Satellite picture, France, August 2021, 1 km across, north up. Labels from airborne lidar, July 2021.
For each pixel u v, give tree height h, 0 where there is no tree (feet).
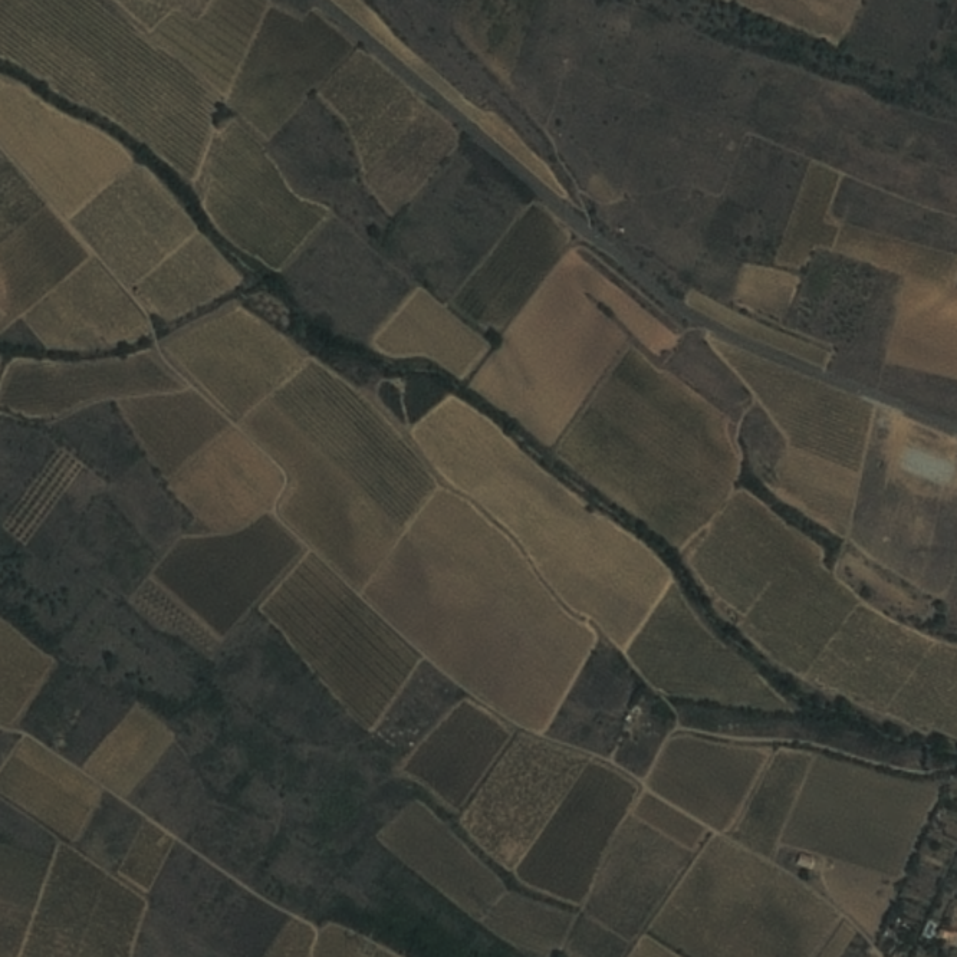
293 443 0
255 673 0
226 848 0
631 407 0
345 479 0
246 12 0
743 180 0
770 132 0
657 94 0
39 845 0
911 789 0
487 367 0
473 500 0
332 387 0
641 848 0
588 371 0
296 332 34
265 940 0
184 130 0
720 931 0
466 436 0
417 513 0
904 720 0
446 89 0
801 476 0
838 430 0
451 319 0
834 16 0
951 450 0
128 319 0
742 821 0
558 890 0
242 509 0
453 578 0
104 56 0
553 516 0
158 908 0
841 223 0
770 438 0
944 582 0
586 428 0
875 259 0
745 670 0
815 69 20
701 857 0
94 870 0
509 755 0
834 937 0
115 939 0
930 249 0
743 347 0
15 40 0
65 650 20
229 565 0
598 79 0
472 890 0
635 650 0
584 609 0
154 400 0
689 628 0
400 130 0
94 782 0
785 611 0
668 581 0
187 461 0
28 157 0
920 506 0
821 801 0
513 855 0
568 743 0
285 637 18
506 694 0
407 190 0
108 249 0
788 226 0
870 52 0
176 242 0
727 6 44
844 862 0
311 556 0
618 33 0
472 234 0
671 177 0
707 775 0
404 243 0
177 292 0
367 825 0
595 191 0
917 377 0
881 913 0
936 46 20
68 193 0
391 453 0
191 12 0
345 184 0
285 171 0
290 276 0
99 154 0
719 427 0
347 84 0
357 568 0
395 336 0
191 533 0
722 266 0
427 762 0
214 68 0
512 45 0
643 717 0
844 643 0
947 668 0
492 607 0
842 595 0
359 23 0
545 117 0
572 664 0
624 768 0
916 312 0
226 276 0
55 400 0
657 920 0
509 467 0
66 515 0
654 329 0
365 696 0
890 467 0
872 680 0
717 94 0
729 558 0
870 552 0
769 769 0
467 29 0
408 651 0
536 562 0
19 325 0
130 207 0
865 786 0
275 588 0
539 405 0
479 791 0
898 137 0
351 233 0
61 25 0
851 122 0
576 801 0
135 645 0
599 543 0
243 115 0
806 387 0
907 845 0
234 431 0
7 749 0
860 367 0
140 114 0
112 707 0
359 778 0
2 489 0
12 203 0
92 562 0
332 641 0
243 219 0
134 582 0
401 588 0
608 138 0
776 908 0
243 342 0
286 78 0
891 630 0
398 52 0
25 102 0
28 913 0
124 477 0
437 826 0
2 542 0
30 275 0
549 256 0
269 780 0
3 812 0
